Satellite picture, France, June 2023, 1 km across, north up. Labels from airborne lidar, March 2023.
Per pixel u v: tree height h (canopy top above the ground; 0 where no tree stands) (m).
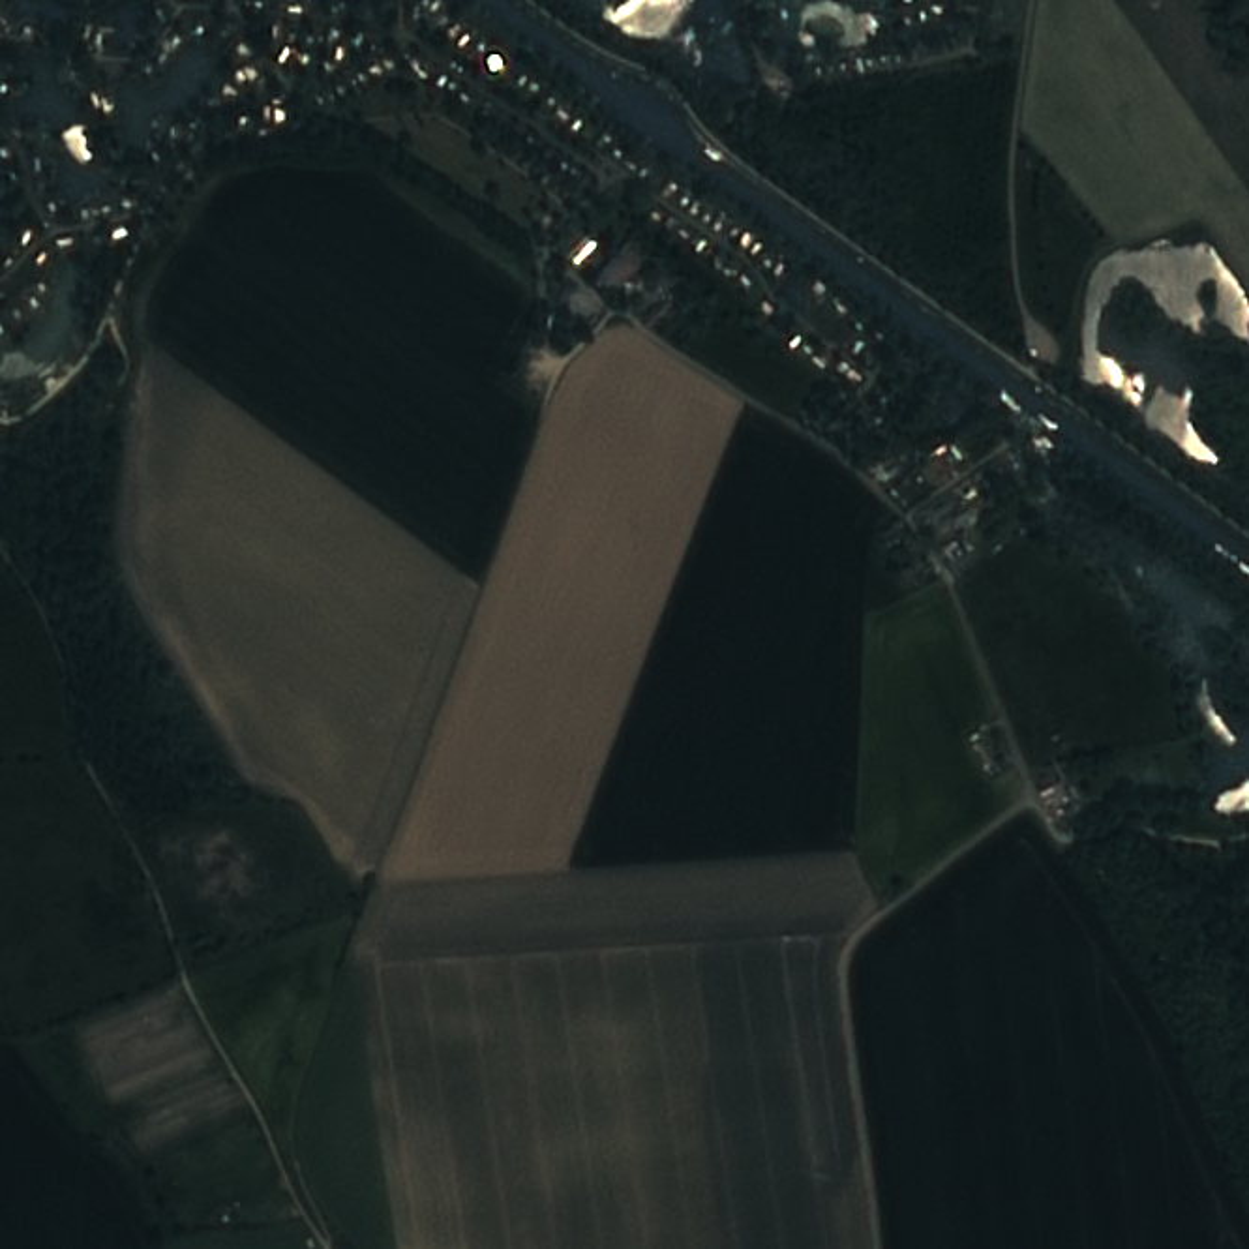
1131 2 0
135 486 0
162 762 24
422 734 0
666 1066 0
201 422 0
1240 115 0
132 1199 0
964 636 0
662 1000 0
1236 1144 12
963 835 0
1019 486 22
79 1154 0
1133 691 0
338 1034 0
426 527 0
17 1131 0
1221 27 20
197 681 0
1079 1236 0
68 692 5
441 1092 0
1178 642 0
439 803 0
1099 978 0
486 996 0
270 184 0
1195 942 19
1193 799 17
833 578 0
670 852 0
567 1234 0
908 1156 0
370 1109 0
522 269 0
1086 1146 0
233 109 14
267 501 0
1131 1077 0
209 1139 0
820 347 13
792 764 0
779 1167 0
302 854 0
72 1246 0
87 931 0
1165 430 0
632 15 0
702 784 0
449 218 0
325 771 0
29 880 0
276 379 0
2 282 0
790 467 0
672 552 0
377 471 0
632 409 0
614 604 0
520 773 0
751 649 0
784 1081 0
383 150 13
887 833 0
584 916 0
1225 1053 7
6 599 0
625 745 0
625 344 0
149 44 18
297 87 9
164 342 0
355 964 0
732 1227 0
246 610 0
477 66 10
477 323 0
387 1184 0
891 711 0
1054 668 0
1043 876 0
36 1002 0
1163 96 0
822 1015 0
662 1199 0
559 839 0
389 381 0
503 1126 0
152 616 0
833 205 13
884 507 0
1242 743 0
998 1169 0
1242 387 7
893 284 0
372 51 12
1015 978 0
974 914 0
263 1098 0
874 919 0
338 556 0
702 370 0
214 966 0
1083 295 0
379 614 0
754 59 7
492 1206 0
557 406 0
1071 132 0
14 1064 0
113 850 0
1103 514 20
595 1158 0
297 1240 0
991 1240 0
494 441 0
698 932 0
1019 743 0
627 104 0
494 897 0
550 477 0
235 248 0
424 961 0
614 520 0
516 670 0
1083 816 11
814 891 0
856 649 0
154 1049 0
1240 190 0
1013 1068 0
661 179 0
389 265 0
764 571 0
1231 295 0
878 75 7
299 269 0
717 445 0
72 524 11
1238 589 6
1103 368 0
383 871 0
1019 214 0
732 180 0
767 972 0
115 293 15
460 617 0
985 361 0
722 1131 0
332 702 0
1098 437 0
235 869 0
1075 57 0
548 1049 0
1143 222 0
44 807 0
